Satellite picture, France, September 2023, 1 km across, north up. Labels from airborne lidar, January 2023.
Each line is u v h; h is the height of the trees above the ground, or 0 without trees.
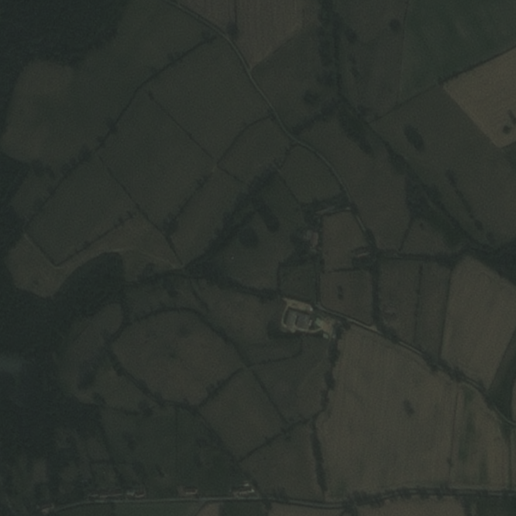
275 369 0
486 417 0
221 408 0
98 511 0
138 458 0
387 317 0
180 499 0
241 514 0
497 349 0
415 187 20
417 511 0
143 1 0
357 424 0
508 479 0
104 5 12
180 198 0
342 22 20
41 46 11
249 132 0
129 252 0
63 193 0
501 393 0
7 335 14
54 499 17
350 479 0
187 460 0
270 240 0
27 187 0
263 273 0
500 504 0
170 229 17
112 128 19
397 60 0
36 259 0
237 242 0
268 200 0
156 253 0
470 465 0
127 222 0
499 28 0
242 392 0
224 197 0
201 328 0
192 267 9
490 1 0
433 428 0
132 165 0
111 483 0
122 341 0
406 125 0
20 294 6
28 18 18
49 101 0
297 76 0
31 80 0
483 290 0
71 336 0
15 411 8
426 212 9
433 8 0
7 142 0
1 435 12
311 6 0
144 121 0
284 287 0
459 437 0
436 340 0
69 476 0
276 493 13
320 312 0
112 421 0
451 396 0
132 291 0
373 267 14
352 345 0
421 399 0
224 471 0
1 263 15
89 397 0
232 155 0
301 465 0
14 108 0
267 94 0
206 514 0
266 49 0
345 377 0
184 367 0
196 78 0
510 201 0
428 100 0
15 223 20
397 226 0
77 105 0
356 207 16
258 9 0
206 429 0
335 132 0
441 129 0
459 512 0
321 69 0
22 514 0
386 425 0
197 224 0
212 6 0
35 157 0
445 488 11
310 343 0
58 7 16
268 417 0
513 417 0
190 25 0
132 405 0
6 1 18
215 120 0
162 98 0
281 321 0
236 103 0
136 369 0
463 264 0
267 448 0
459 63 0
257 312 0
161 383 0
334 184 0
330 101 0
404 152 0
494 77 0
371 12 0
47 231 0
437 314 0
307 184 0
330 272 0
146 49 0
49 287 0
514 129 0
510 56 0
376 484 0
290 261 6
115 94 0
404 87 0
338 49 7
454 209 0
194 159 0
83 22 13
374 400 0
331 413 0
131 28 0
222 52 0
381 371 0
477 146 0
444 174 0
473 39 0
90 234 0
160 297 0
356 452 0
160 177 0
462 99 0
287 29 0
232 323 0
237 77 0
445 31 0
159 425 0
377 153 0
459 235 0
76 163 15
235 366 0
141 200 0
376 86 0
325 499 0
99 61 0
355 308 0
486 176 0
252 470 0
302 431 0
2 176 17
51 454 17
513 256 22
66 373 0
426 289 0
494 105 0
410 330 0
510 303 0
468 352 0
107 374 0
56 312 22
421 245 0
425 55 0
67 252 0
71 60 22
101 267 15
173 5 0
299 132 12
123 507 0
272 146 0
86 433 16
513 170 0
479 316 0
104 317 0
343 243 0
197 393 0
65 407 19
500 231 0
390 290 0
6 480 15
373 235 11
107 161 0
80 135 0
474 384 0
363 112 16
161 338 0
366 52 0
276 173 11
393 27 14
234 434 0
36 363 28
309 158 0
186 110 0
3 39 16
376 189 0
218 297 0
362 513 0
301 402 0
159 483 0
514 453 0
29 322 13
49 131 0
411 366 0
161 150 0
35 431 23
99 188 0
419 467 0
